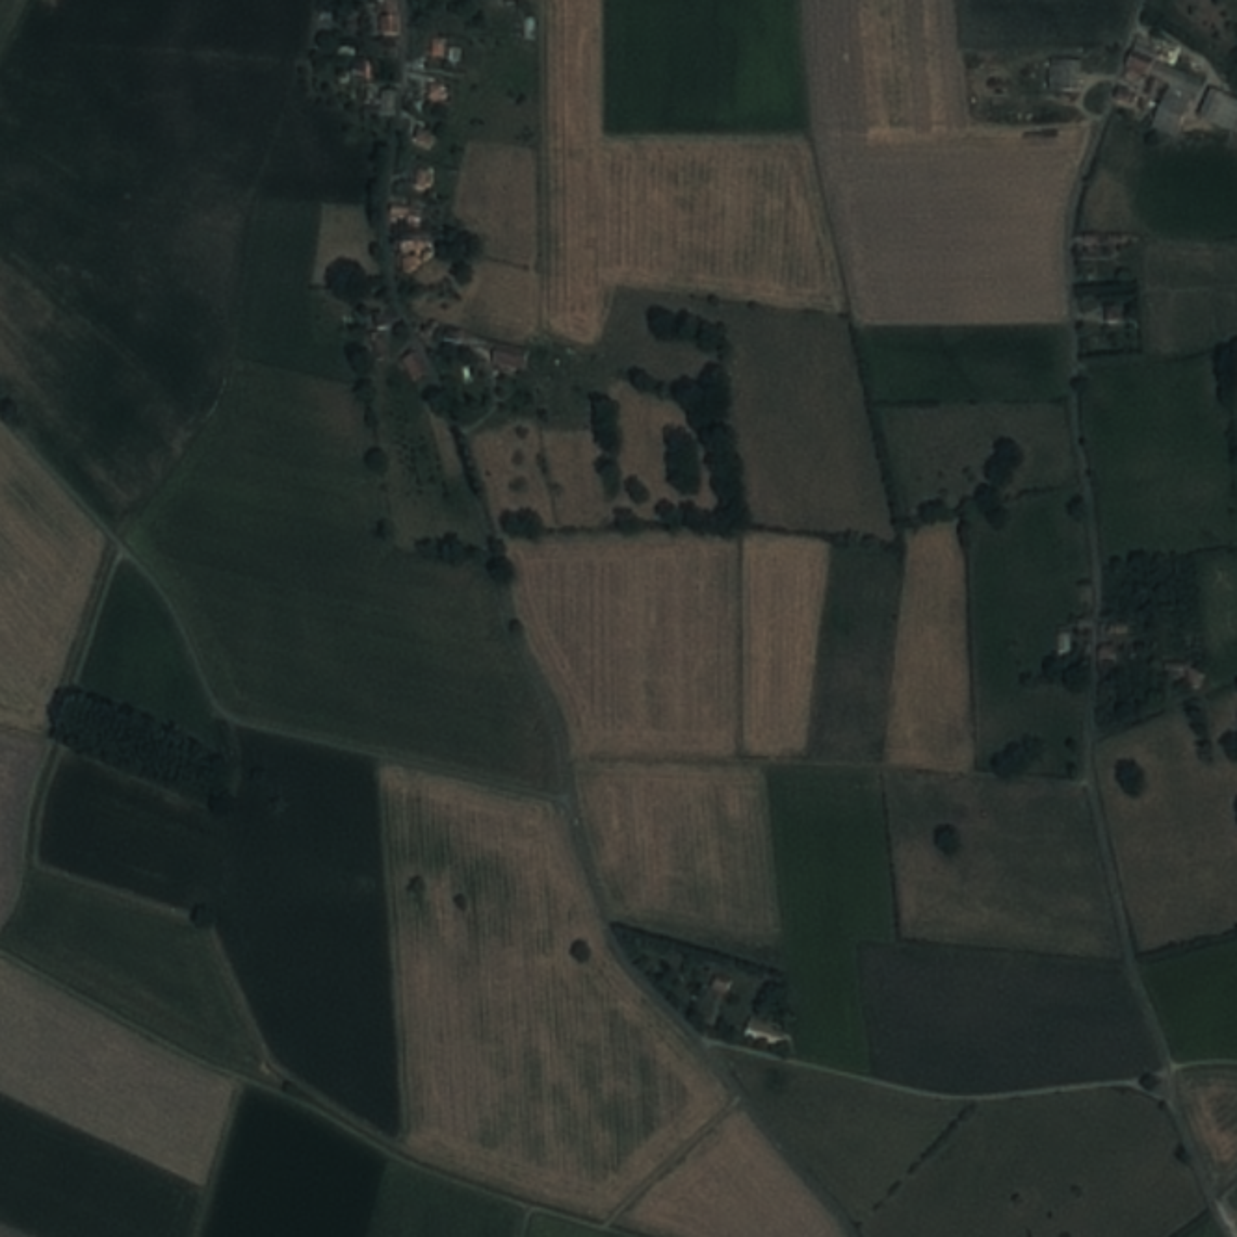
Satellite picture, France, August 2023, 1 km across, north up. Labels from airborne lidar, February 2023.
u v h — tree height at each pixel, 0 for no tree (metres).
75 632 0
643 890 0
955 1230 0
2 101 0
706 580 0
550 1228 0
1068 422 0
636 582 0
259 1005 0
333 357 0
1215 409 0
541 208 0
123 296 0
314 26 0
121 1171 0
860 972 0
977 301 0
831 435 0
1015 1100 0
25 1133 0
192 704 0
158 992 0
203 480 0
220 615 0
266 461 0
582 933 0
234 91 0
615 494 0
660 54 0
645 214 0
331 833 0
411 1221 0
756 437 0
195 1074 0
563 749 0
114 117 0
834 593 0
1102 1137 0
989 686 0
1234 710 0
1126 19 0
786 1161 0
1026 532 0
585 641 0
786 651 0
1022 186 0
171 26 0
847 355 0
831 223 0
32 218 0
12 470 0
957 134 0
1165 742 0
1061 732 0
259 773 10
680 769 0
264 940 0
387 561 0
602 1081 0
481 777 0
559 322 0
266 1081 0
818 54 0
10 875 0
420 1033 0
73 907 0
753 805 0
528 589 0
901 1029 0
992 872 0
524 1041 0
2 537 0
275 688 0
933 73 0
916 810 0
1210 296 0
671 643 0
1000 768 14
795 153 0
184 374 0
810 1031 0
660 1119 0
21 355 0
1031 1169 0
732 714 0
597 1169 0
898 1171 0
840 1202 0
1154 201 0
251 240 0
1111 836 0
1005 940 0
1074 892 0
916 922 0
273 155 0
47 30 0
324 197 0
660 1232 0
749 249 0
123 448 0
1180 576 6
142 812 0
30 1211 0
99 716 22
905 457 0
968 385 0
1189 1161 15
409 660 0
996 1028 0
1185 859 0
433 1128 0
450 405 17
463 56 0
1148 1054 0
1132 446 0
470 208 0
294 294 0
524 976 0
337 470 0
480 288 0
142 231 0
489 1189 0
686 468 22
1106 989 0
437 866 0
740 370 0
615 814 0
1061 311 0
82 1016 0
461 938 0
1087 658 7
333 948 0
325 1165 0
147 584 0
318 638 0
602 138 0
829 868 0
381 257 13
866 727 0
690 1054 0
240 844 0
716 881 0
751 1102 0
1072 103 0
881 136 0
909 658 0
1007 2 0
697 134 0
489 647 0
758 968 9
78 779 0
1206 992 0
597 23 0
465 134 0
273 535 0
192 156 0
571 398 0
